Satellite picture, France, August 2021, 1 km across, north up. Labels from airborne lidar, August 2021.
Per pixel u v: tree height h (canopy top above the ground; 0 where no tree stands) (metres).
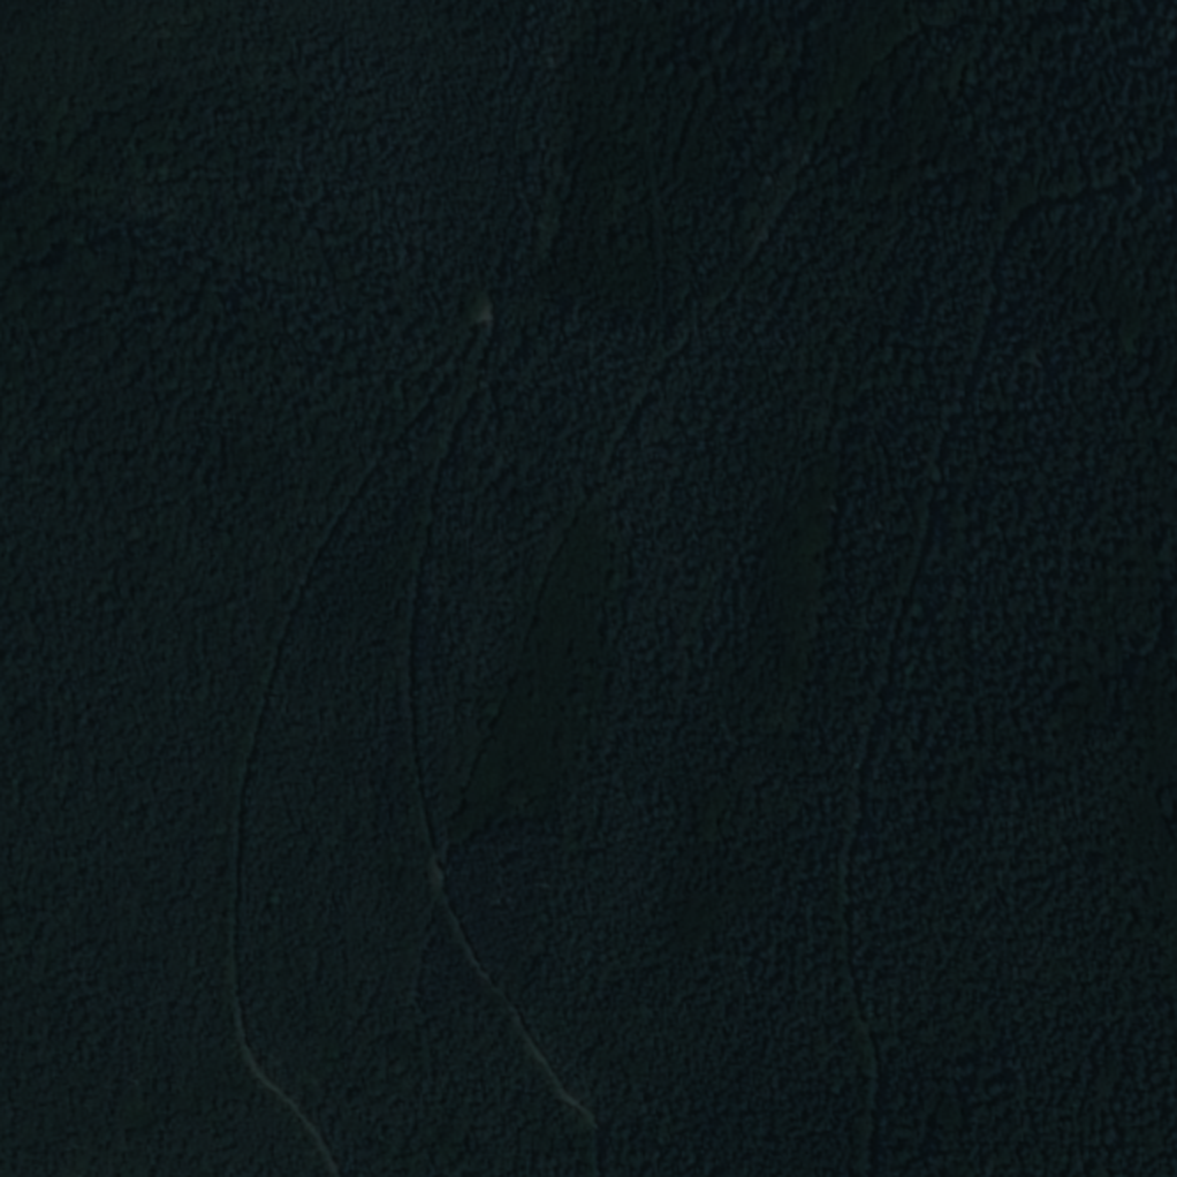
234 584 13
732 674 15
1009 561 15
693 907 15
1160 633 7
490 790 7
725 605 15
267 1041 12
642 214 7
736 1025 17
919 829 13
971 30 16
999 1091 22
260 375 20
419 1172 13
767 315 23
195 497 14
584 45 13
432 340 18
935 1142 16
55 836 11
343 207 24
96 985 16
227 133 20
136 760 12
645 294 6
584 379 17
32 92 13
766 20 26
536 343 20
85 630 15
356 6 15
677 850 13
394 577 20
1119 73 25
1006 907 19
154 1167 9
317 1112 15
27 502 18
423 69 18
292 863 15
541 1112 18
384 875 19
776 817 13
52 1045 14
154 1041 13
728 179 14
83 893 14
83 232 19
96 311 20
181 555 14
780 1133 26
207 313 21
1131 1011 13
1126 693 20
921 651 18
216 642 15
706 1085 23
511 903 18
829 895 19
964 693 12
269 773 13
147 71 16
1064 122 23
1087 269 16
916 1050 20
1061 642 12
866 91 13
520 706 8
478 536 16
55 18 12
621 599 8
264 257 17
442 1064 15
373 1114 20
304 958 16
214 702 13
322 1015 12
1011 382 26
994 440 19
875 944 9
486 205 17
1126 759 7
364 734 10
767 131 14
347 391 17
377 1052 15
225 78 17
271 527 15
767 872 15
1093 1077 16
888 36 22
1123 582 6
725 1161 22
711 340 14
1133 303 12
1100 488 20
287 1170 13
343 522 12
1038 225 17
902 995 11
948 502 16
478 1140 15
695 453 19
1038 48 18
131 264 18
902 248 18
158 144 24
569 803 12
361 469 12
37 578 18
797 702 8
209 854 18
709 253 14
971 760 7
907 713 11
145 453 14
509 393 17
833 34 26
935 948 16
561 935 15
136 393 17
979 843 17
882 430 8
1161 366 23
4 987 11
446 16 18
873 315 20
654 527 14
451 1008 16
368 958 16
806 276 18
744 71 11
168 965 21
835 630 18
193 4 11
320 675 17
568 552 8
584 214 11
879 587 13
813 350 19
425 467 16
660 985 19
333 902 13
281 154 17
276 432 13
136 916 13
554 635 9
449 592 16
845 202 14
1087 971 16
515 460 9
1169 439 9
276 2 16
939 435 20
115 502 19
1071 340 18
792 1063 22
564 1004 13
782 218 6
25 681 15
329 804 15
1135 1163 22
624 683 13
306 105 20
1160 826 6
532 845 17
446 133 18
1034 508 22
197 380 14
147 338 20
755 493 14
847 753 18
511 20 20
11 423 18
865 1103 21
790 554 17
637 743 16
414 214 23
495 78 16
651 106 7
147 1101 11
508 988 11
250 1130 17
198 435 17
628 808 15
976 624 17
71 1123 12
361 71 21
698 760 20
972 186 19
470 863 18
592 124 13
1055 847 16
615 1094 18
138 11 10
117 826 15
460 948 14
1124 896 7
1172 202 24
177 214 13
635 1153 17
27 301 26
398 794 16
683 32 10
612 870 18
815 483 23
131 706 14
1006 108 22
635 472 17
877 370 17
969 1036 11
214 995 17
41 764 12
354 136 19
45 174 21
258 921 11
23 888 12
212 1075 13
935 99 20
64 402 16
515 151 21
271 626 14
